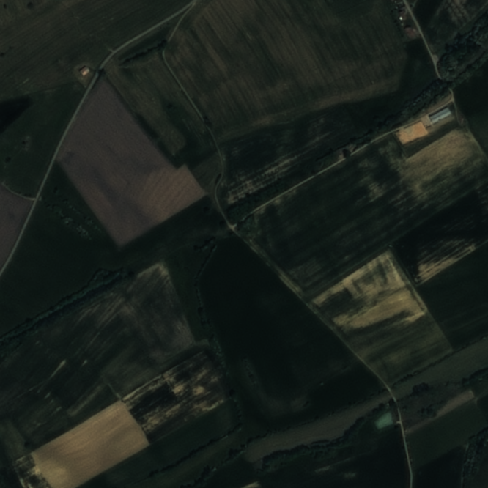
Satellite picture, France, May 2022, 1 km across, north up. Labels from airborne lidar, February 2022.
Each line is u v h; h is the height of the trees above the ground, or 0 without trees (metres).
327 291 0
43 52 0
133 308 0
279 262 0
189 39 0
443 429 0
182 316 0
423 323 0
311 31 0
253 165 0
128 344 0
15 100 0
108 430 0
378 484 0
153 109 0
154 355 0
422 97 7
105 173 0
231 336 0
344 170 0
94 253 0
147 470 0
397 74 0
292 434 0
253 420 0
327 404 0
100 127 0
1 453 0
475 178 0
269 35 0
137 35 0
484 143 0
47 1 0
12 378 0
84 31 0
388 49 0
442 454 0
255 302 0
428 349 0
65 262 0
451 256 0
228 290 0
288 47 0
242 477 0
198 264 0
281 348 0
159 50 6
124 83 0
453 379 0
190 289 0
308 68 0
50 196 0
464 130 0
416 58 0
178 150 0
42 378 0
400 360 0
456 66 7
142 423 0
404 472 0
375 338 0
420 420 0
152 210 0
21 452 0
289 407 0
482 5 0
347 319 0
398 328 0
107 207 0
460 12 0
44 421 0
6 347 8
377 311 0
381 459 0
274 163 0
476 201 0
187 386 0
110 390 0
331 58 0
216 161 0
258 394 0
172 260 0
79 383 0
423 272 0
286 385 0
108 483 0
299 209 0
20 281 0
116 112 0
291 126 0
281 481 0
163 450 0
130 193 0
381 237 0
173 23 0
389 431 0
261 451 0
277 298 0
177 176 0
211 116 0
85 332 0
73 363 0
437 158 0
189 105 0
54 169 0
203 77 0
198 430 0
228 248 0
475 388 0
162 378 0
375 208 0
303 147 0
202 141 0
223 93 0
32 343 0
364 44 0
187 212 0
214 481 0
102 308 0
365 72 0
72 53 0
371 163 0
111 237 0
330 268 0
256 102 0
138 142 0
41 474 0
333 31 0
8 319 0
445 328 0
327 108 0
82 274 0
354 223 0
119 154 0
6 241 0
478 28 9
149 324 0
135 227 0
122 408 0
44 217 0
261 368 0
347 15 0
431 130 0
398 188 0
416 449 0
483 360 0
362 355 0
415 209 0
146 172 0
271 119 0
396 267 0
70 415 0
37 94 0
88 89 0
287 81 0
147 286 0
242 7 0
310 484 0
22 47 0
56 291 0
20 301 0
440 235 0
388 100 0
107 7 0
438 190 0
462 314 0
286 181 0
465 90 0
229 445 0
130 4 0
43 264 0
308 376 0
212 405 0
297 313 0
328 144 0
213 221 0
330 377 0
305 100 0
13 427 0
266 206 0
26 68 0
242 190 0
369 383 0
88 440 0
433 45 0
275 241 0
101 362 0
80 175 0
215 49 0
